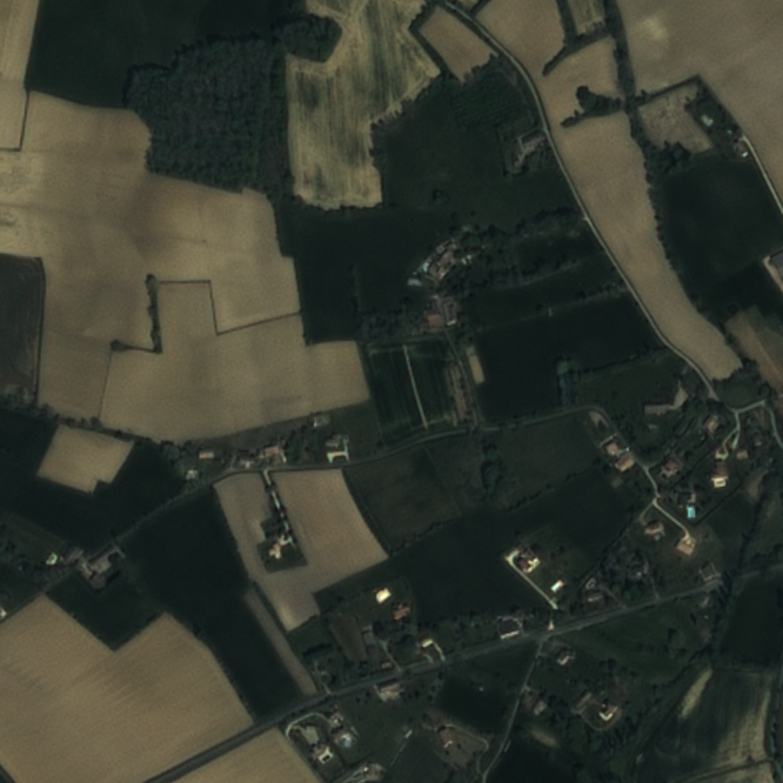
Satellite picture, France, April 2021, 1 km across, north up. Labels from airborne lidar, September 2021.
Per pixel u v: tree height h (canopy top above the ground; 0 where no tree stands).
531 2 0
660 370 0
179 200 0
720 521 0
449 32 0
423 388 0
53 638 0
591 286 0
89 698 0
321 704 7
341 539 0
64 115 0
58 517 0
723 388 12
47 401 0
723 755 0
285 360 0
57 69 0
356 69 0
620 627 0
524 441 0
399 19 0
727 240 0
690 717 0
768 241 0
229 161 23
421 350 0
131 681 0
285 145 12
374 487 0
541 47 0
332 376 0
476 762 10
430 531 7
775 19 0
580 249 0
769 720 0
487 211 0
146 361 0
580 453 0
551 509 0
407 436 0
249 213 0
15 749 0
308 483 0
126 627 0
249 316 0
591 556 0
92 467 0
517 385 0
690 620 0
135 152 0
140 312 0
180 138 15
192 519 0
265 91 23
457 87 16
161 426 0
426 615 0
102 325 0
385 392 0
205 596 0
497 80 9
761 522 11
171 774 0
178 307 0
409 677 13
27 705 0
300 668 0
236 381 0
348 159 0
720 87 0
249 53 20
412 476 0
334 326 0
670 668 0
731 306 0
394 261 0
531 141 0
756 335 0
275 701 0
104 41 0
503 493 18
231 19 0
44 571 9
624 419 8
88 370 0
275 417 0
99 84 0
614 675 15
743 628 0
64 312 0
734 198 0
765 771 0
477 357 0
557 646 0
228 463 0
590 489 0
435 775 0
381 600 0
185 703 0
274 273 0
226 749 0
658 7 0
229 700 0
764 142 0
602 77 0
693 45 0
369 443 0
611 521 0
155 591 0
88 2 0
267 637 0
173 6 0
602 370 7
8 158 0
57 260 0
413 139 0
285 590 0
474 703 0
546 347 0
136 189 0
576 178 0
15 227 0
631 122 7
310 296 0
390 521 0
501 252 18
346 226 0
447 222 0
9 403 10
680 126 0
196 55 16
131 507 0
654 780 0
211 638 0
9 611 0
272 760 0
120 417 0
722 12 0
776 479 13
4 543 9
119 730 0
